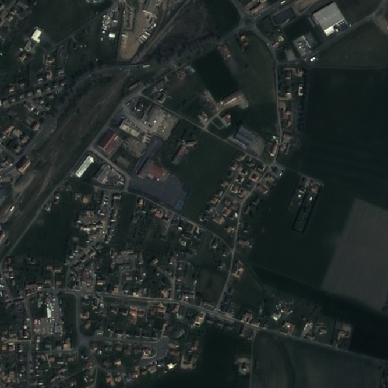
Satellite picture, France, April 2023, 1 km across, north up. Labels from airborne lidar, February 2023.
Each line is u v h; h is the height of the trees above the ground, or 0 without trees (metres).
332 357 0
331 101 0
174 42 0
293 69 0
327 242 0
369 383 0
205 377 0
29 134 0
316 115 0
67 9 0
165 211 0
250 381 0
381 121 0
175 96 0
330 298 0
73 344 0
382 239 0
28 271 6
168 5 0
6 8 0
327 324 0
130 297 0
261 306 7
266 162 0
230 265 0
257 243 0
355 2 0
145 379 0
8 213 0
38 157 10
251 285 0
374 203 0
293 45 0
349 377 0
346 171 0
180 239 0
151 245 0
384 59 0
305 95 15
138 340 0
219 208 0
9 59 0
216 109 0
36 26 0
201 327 0
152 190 0
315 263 0
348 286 0
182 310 0
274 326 0
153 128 0
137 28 0
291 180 0
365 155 0
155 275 6
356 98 0
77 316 0
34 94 8
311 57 0
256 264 0
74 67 0
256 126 0
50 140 0
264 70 0
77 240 0
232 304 0
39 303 0
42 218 0
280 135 0
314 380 0
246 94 0
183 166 0
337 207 0
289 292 0
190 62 16
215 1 0
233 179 0
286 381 0
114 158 0
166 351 0
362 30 0
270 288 0
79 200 0
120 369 0
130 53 0
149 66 0
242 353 0
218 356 0
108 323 0
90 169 0
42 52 0
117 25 0
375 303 0
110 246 0
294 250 0
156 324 0
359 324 0
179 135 0
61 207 0
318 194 8
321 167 0
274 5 0
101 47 0
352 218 0
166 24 0
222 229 0
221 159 0
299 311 0
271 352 0
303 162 0
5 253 0
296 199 0
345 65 0
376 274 0
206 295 0
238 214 0
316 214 0
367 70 0
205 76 0
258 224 0
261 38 0
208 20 0
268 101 0
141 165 0
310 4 0
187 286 0
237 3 0
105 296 0
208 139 0
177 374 0
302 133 11
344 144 0
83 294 0
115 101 0
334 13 0
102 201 0
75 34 0
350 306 0
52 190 0
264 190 0
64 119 11
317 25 0
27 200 0
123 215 0
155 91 0
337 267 0
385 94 0
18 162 0
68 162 0
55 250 0
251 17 0
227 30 0
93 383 0
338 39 0
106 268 0
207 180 0
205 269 0
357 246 0
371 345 0
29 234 0
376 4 0
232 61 0
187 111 0
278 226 0
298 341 0
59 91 0
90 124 0
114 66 0
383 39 0
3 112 12
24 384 0
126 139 9
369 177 0
